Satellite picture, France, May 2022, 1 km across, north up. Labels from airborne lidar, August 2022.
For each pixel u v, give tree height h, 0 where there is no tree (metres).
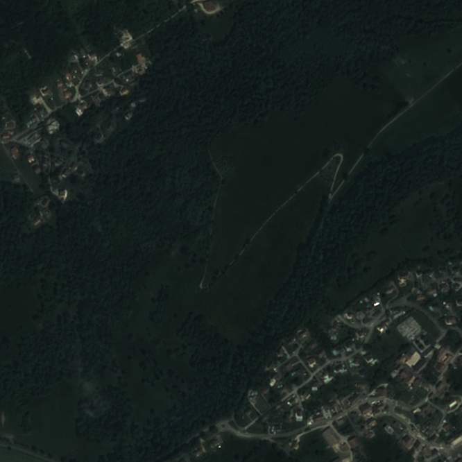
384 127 0
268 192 0
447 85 0
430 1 18
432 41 0
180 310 0
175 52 25
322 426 0
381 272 0
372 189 23
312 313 12
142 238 12
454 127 0
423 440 0
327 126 0
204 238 9
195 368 22
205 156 6
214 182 18
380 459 0
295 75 14
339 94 0
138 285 0
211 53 23
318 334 12
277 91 11
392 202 19
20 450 0
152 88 15
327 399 0
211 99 16
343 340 7
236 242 0
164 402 0
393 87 0
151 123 22
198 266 0
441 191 0
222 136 16
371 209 23
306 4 32
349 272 14
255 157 0
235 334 0
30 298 0
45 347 10
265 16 31
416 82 0
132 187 16
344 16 21
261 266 0
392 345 0
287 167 0
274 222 0
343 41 19
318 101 0
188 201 24
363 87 9
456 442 0
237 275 0
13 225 7
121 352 0
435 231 6
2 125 6
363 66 20
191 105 26
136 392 0
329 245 19
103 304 22
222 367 29
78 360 15
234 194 0
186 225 12
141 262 20
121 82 17
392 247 0
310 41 19
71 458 0
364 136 0
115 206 7
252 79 22
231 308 0
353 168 0
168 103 18
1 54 13
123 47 6
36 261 26
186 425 29
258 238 0
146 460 17
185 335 13
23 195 9
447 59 0
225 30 0
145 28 7
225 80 26
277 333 6
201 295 0
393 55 19
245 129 0
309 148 0
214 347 10
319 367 0
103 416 28
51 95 0
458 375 0
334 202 0
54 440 0
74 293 25
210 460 0
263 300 0
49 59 17
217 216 0
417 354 0
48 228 15
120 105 11
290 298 22
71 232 24
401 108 17
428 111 0
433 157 29
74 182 21
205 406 29
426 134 0
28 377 21
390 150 0
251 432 0
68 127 15
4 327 0
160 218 7
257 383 17
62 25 17
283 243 0
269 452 0
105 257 15
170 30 14
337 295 0
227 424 0
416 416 12
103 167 16
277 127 0
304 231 0
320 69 14
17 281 17
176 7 12
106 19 14
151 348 0
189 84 13
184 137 10
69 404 0
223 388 29
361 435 0
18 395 6
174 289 0
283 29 25
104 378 14
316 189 0
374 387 18
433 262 6
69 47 17
